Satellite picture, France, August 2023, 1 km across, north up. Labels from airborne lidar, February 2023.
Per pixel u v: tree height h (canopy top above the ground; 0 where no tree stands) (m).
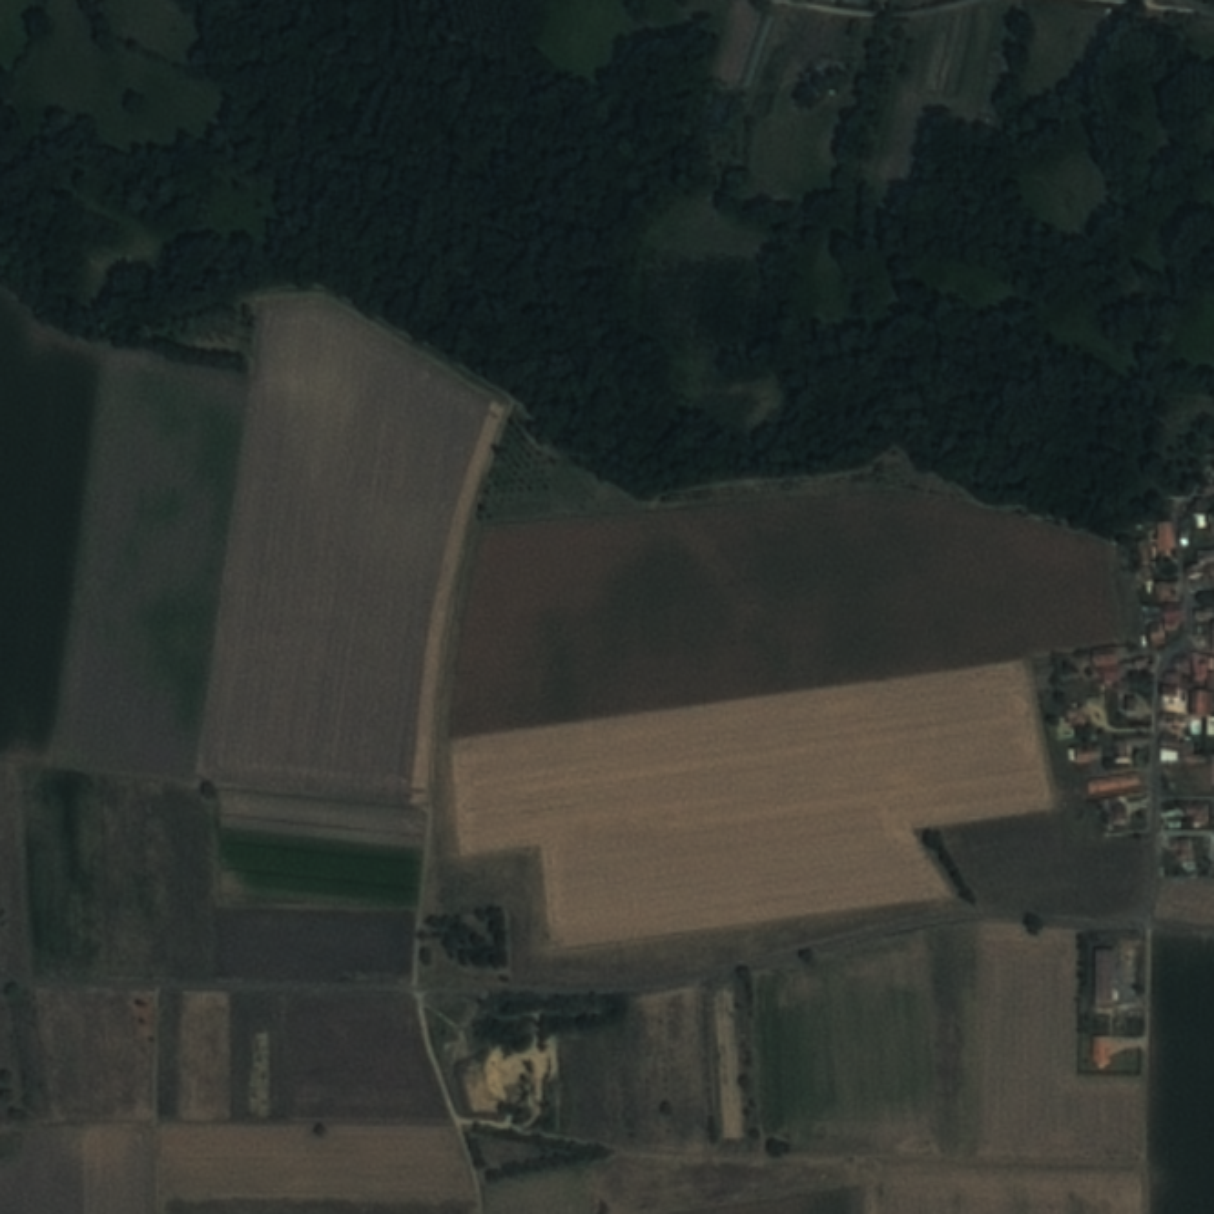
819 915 0
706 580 0
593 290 17
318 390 0
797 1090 0
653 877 0
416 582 0
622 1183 0
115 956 0
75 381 0
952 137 27
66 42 0
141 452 0
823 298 0
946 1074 0
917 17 0
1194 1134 0
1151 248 0
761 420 0
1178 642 0
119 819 0
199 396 0
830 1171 0
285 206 13
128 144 0
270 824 0
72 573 0
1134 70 24
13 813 0
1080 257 25
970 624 0
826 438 10
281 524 0
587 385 22
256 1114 0
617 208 17
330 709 0
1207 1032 0
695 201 0
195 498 0
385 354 0
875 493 0
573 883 0
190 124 0
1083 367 11
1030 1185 0
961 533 0
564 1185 0
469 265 13
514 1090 0
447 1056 0
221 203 0
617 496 0
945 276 0
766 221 15
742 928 0
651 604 0
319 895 0
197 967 0
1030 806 0
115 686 0
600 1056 0
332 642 0
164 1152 0
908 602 0
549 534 0
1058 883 0
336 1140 0
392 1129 0
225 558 0
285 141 20
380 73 25
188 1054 0
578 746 0
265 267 30
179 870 0
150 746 0
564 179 17
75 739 0
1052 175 0
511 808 0
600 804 0
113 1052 0
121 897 0
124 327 14
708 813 0
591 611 0
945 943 0
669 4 0
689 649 0
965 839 0
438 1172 0
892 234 24
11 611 0
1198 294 25
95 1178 0
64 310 15
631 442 23
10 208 23
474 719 0
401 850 0
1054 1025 0
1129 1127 0
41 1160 0
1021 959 0
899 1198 0
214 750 0
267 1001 0
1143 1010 0
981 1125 0
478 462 0
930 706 0
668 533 0
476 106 22
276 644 0
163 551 0
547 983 0
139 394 0
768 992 0
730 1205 0
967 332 21
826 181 0
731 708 0
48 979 0
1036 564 0
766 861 0
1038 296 11
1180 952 0
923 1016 0
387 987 0
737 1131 0
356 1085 0
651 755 0
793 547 0
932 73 0
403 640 0
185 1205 0
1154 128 0
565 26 0
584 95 18
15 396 0
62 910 0
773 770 0
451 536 0
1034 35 19
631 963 0
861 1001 0
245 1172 0
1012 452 16
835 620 0
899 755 0
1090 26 0
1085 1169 0
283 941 0
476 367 10
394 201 21
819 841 0
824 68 0
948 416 8
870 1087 0
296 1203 0
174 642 0
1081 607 0
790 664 0
